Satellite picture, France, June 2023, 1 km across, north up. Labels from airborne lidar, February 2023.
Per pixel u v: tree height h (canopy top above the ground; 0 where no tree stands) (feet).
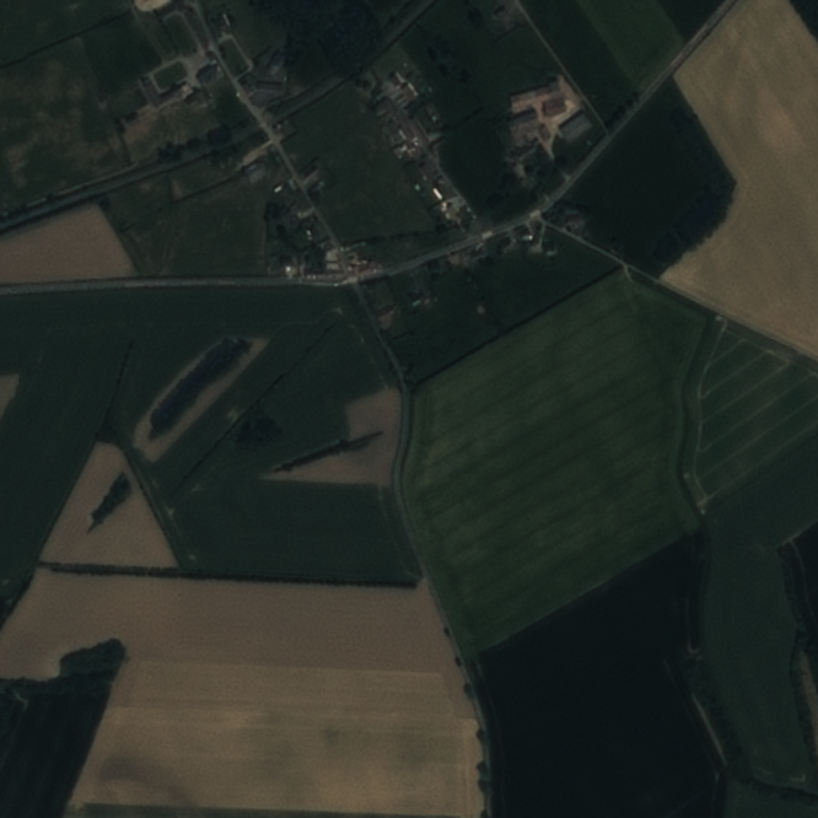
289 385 0
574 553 0
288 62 61
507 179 33
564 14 0
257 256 0
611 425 0
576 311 0
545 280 0
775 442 0
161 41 0
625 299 0
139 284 0
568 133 0
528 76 0
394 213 0
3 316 0
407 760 0
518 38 0
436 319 0
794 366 0
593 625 0
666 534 0
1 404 0
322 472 0
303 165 0
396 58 0
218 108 0
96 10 0
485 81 0
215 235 0
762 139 0
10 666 0
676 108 0
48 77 0
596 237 0
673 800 0
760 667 0
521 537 0
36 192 0
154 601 0
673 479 0
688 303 0
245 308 0
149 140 0
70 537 0
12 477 0
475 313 0
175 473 0
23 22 0
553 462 0
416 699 0
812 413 0
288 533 0
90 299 0
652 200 0
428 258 0
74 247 0
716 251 0
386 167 0
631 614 0
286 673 0
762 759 0
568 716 0
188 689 0
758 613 0
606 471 0
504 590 0
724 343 0
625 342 0
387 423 0
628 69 0
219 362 69
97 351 0
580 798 0
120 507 0
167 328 0
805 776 0
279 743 0
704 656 0
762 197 0
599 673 0
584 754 0
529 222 0
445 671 0
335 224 0
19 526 0
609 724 0
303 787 0
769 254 0
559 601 0
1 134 0
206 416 0
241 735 0
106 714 0
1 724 54
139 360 0
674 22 0
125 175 0
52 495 0
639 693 0
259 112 0
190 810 0
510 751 0
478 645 0
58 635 0
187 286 0
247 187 0
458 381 0
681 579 0
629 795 0
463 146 0
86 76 0
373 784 0
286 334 0
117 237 0
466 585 0
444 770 0
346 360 0
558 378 0
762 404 0
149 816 0
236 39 0
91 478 0
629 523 0
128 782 0
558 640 0
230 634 0
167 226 0
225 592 0
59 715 0
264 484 0
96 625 0
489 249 0
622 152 0
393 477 0
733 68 0
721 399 0
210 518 0
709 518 0
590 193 0
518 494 0
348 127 0
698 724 0
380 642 0
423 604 0
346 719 0
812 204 0
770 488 0
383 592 0
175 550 0
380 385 0
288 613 0
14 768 0
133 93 0
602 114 0
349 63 105
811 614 0
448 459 0
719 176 105
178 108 0
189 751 0
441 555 0
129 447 0
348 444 33
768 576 0
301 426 0
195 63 0
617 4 0
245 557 0
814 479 0
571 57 0
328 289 0
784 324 0
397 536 0
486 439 0
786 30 0
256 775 0
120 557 0
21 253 0
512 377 0
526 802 0
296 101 0
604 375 0
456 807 0
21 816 0
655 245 0
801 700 26
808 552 0
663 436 0
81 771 0
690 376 0
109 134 0
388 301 0
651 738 0
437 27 0
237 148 35
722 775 0
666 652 0
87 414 0
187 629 0
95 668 0
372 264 0
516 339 0
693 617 0
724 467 0
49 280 0
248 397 0
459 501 0
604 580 0
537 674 0
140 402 0
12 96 0
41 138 0
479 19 64
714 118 0
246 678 0
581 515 0
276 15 110
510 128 0
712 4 0
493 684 0
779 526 0
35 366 0
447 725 0
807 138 0
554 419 0
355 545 0
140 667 0
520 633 0
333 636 0
